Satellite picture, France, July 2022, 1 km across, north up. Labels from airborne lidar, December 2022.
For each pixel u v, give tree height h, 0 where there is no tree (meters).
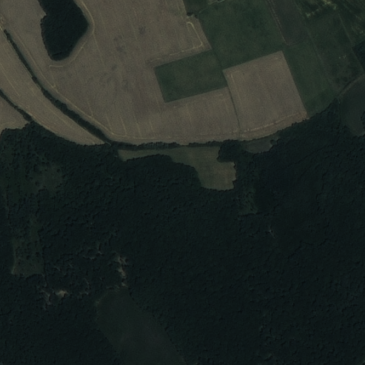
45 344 20
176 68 0
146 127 0
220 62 0
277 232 13
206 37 0
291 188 16
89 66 0
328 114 10
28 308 26
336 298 25
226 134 0
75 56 0
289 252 11
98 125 0
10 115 0
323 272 24
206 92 0
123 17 0
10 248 24
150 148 18
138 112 0
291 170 16
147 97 0
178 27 0
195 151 0
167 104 0
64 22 16
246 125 0
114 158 14
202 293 27
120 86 0
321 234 9
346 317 16
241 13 0
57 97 0
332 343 20
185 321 27
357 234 28
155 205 25
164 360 0
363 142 22
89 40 0
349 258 23
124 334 0
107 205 17
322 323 20
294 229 10
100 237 25
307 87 0
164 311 26
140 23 0
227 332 25
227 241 29
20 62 0
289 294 23
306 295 26
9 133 13
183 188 22
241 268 24
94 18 0
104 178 12
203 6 0
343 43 0
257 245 29
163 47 0
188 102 0
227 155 14
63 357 26
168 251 26
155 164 17
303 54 0
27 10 0
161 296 20
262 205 7
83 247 25
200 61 0
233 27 0
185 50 0
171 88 0
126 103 0
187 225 27
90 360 25
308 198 12
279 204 14
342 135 19
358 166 21
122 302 0
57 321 22
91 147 12
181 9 0
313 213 10
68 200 22
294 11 0
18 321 26
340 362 21
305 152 6
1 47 0
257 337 25
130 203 22
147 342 0
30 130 10
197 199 24
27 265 0
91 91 0
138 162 17
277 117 0
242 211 21
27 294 27
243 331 27
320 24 0
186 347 24
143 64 0
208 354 23
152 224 28
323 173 7
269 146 0
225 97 0
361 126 0
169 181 21
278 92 0
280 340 21
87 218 16
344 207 28
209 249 29
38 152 18
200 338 23
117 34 0
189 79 0
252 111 0
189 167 15
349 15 0
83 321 28
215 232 25
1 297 27
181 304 30
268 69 0
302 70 0
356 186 25
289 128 6
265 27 0
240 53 0
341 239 26
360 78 0
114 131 0
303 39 0
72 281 26
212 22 0
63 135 0
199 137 0
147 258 26
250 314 27
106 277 23
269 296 28
